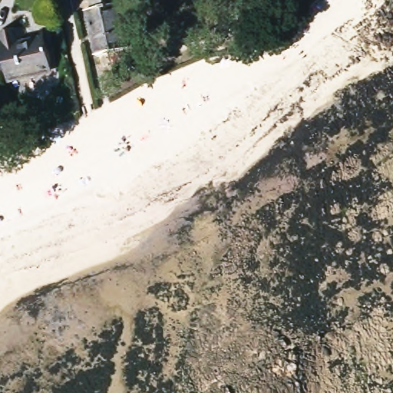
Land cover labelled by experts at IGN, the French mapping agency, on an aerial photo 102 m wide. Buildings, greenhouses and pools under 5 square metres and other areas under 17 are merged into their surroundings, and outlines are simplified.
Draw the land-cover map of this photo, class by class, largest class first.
<instances>
[{"label":"bare soil","instance_id":"1","mask_svg":"<svg viewBox=\"0 0 393 393\"><path fill-rule=\"evenodd\" d=\"M329 8L316 14L302 38L281 54H264L258 61L244 64L241 61H233L229 48L221 45L215 49V54L209 57L178 69L161 75L154 83V86L143 84L118 100H103L101 107L94 109L83 115L74 129L68 132L61 127H55L54 135L57 138H54L51 146L48 149H38L34 150L32 158L26 155H11L6 157L5 161H0V393H55L60 385L72 381L80 370H92L100 362L111 361H114L115 372L109 385V393H393V272H390L387 264H382L379 272L385 275L384 282L375 279L367 286V279H362L358 290L350 287L341 290L335 298H330L325 295L324 290L330 282H336V287H339L350 279L347 270L350 261H344L341 269L336 267V263H332L325 269V278L319 284L318 295L322 302L327 304V318H332L342 307H348V315L344 321L333 322L332 332L325 336L316 333L305 335L302 329L292 332L284 325L267 327V318L272 316L273 310H266L264 304L272 302L281 305L282 298L259 289V284L266 278L270 287H276V273L292 275L289 269L269 267L275 255V250L270 249V243L278 244L281 232L289 229V221L296 210V204H292L284 215H278L279 207L282 206L281 195L292 192L298 186V177L290 175L258 181L255 193L250 196L232 190L230 183L244 177V173L253 164L269 154V150L275 146V141L286 132H292L299 121L315 117L330 106H335L336 109L341 107L342 88L353 95L358 81L393 66V0H327ZM149 307H158L163 313V335L170 341L169 356L160 373L140 370L137 384L129 387L126 385L123 370L126 367L124 358L129 352L130 345L141 348L140 358L149 361H154L155 358V344H146L134 333L135 315L138 310ZM117 318L123 319V333L118 339L114 358H104L103 355L91 358L89 350L92 348V342H101L100 333L103 330L115 332L112 319ZM69 348L74 350L75 355L80 356V362H69L55 375L49 373L52 365L57 364L58 356L63 355ZM375 132V127H367L364 134L356 137H348L347 129L339 130V134L330 135L329 147L325 152L305 154L307 167L316 166L321 161L327 166H338V172L332 173V184L339 180L358 177L361 170H365L361 161L358 158H348L342 163L336 154H344L350 144L358 141L367 143L368 137ZM376 155H372V161L375 163L373 184L376 195L370 196L362 204H359L358 198H352V207L348 210L339 207V204H333L330 207L332 220L322 221V224L330 229L347 230L348 238L359 241L365 238L367 229L356 224V216L365 213L372 216V220L381 221V229H373V239L378 243L390 241L387 230L393 226V129L388 132L387 143L378 144Z\"/></svg>","mask_w":393,"mask_h":393},{"label":"herbaceous vegetation","instance_id":"2","mask_svg":"<svg viewBox=\"0 0 393 393\"><path fill-rule=\"evenodd\" d=\"M195 0H112V8L117 12L123 14L127 9L137 8L138 15L146 14L152 9L146 26L150 32H157L161 23H172L169 26V40L160 38V45L164 46L161 49L164 55H177L178 69L209 57L206 54V40H193L186 46L183 45L187 29L195 26V21L198 20L193 3ZM341 107L336 109L335 106H330L315 117L299 121L292 132H286L275 141V146L269 150V154L253 164L244 173V177L230 183L232 190L250 196L255 193L258 181L290 175L298 177V186L292 192L281 195L282 206L279 207L278 215H284L292 204H296V210L289 221V229L281 232L278 244L270 243V249L275 250V255L269 267L289 269L292 275L276 273V287H270L266 278L259 284V289L282 298L281 305L272 302L264 304L266 310H273L272 316L267 318V327L284 325L292 332L302 329L305 335L316 333L325 336L332 332L333 322L344 321L348 315V307H342L332 318H327V304L322 302L318 295L319 284L325 278V269L332 263H336V267L341 269L344 261H350L347 270L350 279L339 287H336V282H330L324 290L325 295L330 298H335L341 290L350 287L358 290L362 279H367V286L375 279L384 282L385 275L379 272L382 264H387L390 272H393V226L387 230L390 241L378 243L373 239V229H381V221L372 220V216L365 213L356 216V224L367 229L365 238L359 241L348 238L347 230L330 229L322 224V221L332 220L330 207L333 204H339V207L348 210L352 207V198H358L359 204H362L370 196L376 195L373 184L375 163L372 161V155H376L378 144L387 143L388 132L393 129V66L358 81L353 95L342 88ZM367 127H375V132L368 137L367 143L358 141L350 144L344 154H336L342 163L348 158H358L361 161L365 170H361L358 177L339 180L332 184V173L338 172V166H327L321 161L316 166L307 167L305 154L325 152L329 147L330 135L339 134V130L347 129L348 137H356L364 134ZM103 100H118L143 84L154 86V83L143 74H135L129 81L118 80L112 69H106L103 74L98 75ZM32 89L20 92L18 86L8 83L5 78L0 81V109L8 103L12 106H25L32 114L43 120L38 134L35 135L37 143L40 144L38 149H48L51 146L54 138H57L54 135L55 127H61L68 132L74 129L83 115V107L80 111H75L71 91L61 84L60 78L58 83L52 86L45 100L34 97L31 94ZM163 313L158 307H149L138 310L135 315L134 333L146 344H155V358L154 361H149L140 358L141 348L130 345L129 352L124 358L126 367L123 370L126 385L129 387L137 384L140 370L160 373L169 356L170 341L163 335ZM115 332L103 330L100 333L101 342H92V348L89 350L91 358L103 355L104 358H114L118 339L123 333V319L117 318L112 319ZM69 362H80V356L75 355L74 350L69 348L63 355L58 356L57 364L52 365L49 373L55 375ZM115 372L114 361H111L100 362L92 370H80L72 381L60 385L55 393H109V385Z\"/></svg>","mask_w":393,"mask_h":393},{"label":"deciduous trees","instance_id":"3","mask_svg":"<svg viewBox=\"0 0 393 393\"><path fill-rule=\"evenodd\" d=\"M14 12L31 11L35 23L51 32H60L61 28L51 0H14ZM193 3L198 20L195 21V26L187 29L183 45L186 46L193 40H206V54L209 57L215 54V49L221 45L229 48L233 61H241L244 64L258 61L264 54H281L302 38L316 14L329 8L327 0H195ZM152 9L146 14L138 15L137 8L127 9L123 14L117 12L114 18L124 23V46H130L132 49L118 52L114 57L112 69L118 80L129 81L135 74H143L154 83L161 75L178 69L177 55H164L161 49L164 46L160 45V38L169 40V26L172 23H161L157 32H150L146 26ZM43 120L32 114L25 106H12L8 103L0 109V161H5L6 157L11 155H26L32 158L34 150L38 149L40 144L37 143L35 135L38 134Z\"/></svg>","mask_w":393,"mask_h":393},{"label":"impervious surface","instance_id":"4","mask_svg":"<svg viewBox=\"0 0 393 393\"><path fill-rule=\"evenodd\" d=\"M61 28L60 32H51L35 23L31 11L14 12V0H0V41L3 46H8L9 43L34 45L35 37L43 38L41 48L45 49L46 58L51 66V75L37 81L32 89L31 94L34 97L45 100L52 86L58 83L60 78L58 61L61 55L72 52L83 107V115L94 109L80 41L81 37L88 35L81 9L83 0H51Z\"/></svg>","mask_w":393,"mask_h":393},{"label":"building","instance_id":"5","mask_svg":"<svg viewBox=\"0 0 393 393\"><path fill-rule=\"evenodd\" d=\"M81 9L88 35L95 58L107 55V49L124 46V23L114 18L117 12L112 8V0H83ZM43 38L35 37L34 45L9 43L8 46H3L0 41V81L5 78L8 83L18 86L20 92L32 89L37 81L51 75V66L46 58L45 49L41 48Z\"/></svg>","mask_w":393,"mask_h":393},{"label":"brushwood","instance_id":"6","mask_svg":"<svg viewBox=\"0 0 393 393\"><path fill-rule=\"evenodd\" d=\"M80 41L94 109L101 107L103 100L98 75L95 58L88 35L81 37ZM60 78L61 84L71 91L75 111H80L83 107L72 52L61 55L58 61Z\"/></svg>","mask_w":393,"mask_h":393},{"label":"pervious surface","instance_id":"7","mask_svg":"<svg viewBox=\"0 0 393 393\"><path fill-rule=\"evenodd\" d=\"M132 49L130 46H124L107 49V55L95 58L98 75L103 74L106 69H112L114 57L118 52Z\"/></svg>","mask_w":393,"mask_h":393}]
</instances>
